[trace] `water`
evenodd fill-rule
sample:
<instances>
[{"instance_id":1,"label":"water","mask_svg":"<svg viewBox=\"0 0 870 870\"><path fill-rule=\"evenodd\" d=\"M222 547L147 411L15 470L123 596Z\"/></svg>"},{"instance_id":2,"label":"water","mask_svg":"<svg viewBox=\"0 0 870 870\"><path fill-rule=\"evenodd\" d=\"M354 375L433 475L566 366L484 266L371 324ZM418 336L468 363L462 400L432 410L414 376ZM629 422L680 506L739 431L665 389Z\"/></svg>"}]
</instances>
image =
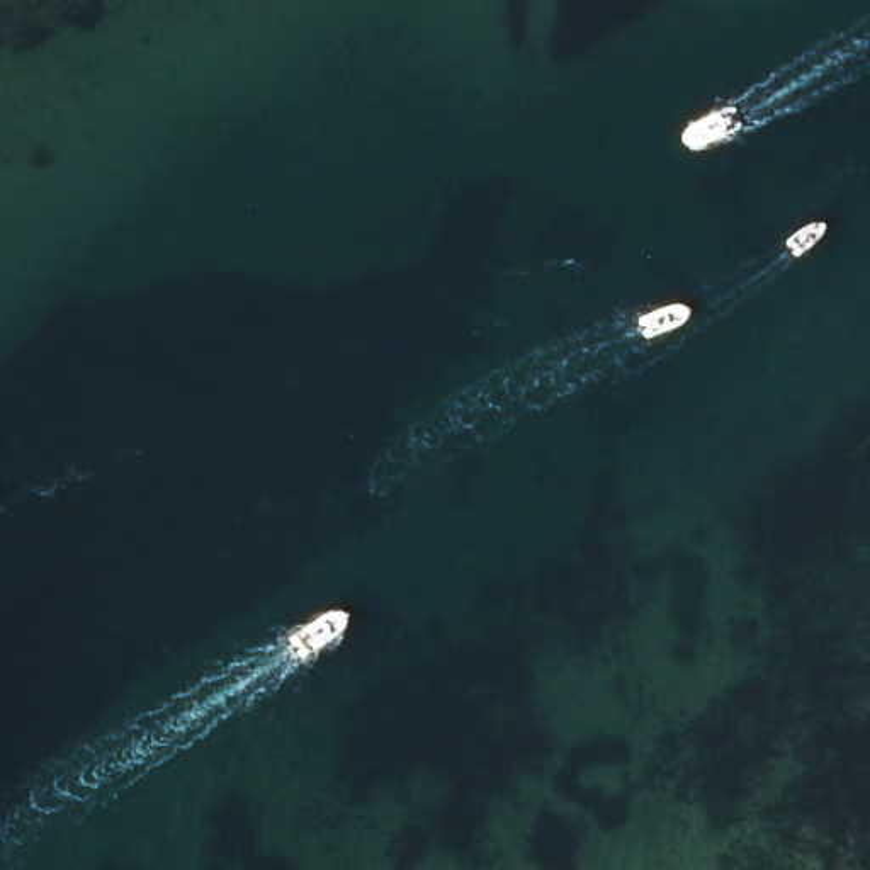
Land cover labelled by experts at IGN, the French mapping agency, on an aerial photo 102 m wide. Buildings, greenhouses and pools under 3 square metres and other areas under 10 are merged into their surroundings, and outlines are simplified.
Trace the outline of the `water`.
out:
<instances>
[{"instance_id":1,"label":"water","mask_svg":"<svg viewBox=\"0 0 870 870\"><path fill-rule=\"evenodd\" d=\"M0 870L870 870L870 0L0 0Z\"/></svg>"}]
</instances>

